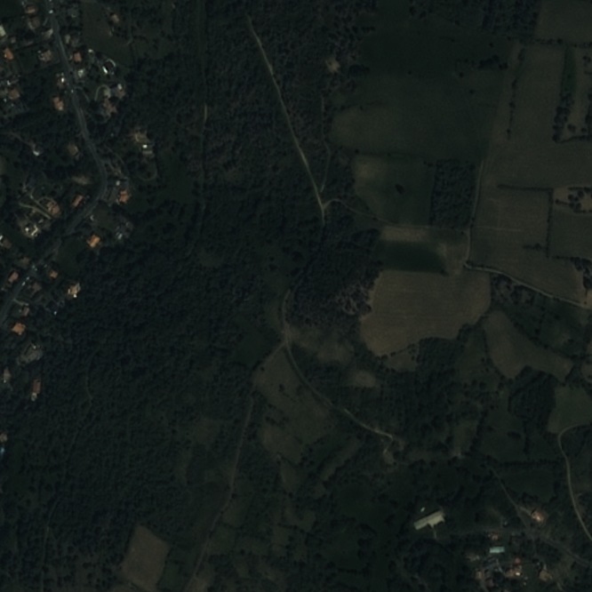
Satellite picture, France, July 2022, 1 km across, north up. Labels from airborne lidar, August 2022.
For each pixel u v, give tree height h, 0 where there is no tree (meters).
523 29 7
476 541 10
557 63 0
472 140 0
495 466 16
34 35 21
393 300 0
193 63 14
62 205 16
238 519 0
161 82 17
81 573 0
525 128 0
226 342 14
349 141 0
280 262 0
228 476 0
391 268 0
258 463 6
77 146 10
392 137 0
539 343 11
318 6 13
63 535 5
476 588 11
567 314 0
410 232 0
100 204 8
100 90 0
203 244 9
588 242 0
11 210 17
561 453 6
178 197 0
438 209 15
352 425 7
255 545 0
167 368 13
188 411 10
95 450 11
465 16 12
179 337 13
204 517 0
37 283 8
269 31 12
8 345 9
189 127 7
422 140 0
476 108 0
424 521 0
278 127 14
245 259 9
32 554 13
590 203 0
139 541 0
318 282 13
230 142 13
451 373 11
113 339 10
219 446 10
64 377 18
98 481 14
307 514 0
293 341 0
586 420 0
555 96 0
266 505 6
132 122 14
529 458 10
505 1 9
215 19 18
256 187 12
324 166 7
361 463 10
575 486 0
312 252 11
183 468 0
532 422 14
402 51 0
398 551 7
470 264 7
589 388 9
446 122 0
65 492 10
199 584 0
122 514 15
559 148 0
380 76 0
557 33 0
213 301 5
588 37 0
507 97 0
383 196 0
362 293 11
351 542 0
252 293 9
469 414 9
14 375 16
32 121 16
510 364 0
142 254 9
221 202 17
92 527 13
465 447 0
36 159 9
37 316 20
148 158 7
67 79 0
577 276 0
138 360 17
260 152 14
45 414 9
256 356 0
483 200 0
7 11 0
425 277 0
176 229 15
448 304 0
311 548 13
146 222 15
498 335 0
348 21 15
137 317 13
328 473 0
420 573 24
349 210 6
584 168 0
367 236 13
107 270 9
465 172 6
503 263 0
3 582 18
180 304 16
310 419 0
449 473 0
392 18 0
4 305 6
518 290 13
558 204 6
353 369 0
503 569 9
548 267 0
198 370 8
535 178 0
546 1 0
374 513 0
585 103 0
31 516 6
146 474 11
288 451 0
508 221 0
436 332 0
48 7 0
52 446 12
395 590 8
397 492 0
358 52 11
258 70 11
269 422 10
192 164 22
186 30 12
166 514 7
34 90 14
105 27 0
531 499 10
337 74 11
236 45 16
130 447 10
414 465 13
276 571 0
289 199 7
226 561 7
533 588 0
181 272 13
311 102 8
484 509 16
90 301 18
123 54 0
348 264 16
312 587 8
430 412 17
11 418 21
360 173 0
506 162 0
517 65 0
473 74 0
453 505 22
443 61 0
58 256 0
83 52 12
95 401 8
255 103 6
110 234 7
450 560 24
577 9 0
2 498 8
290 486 0
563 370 0
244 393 10
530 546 9
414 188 0
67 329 21
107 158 14
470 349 0
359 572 6
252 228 20
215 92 10
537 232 0
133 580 0
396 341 0
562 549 0
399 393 10
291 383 0
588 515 6
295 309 12
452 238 0
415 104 0
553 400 7
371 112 0
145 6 13
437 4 8
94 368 14
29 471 13
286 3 13
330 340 0
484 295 0
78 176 12
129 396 13
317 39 12
